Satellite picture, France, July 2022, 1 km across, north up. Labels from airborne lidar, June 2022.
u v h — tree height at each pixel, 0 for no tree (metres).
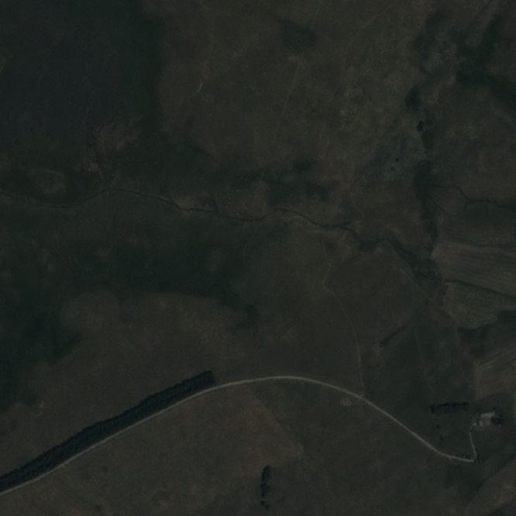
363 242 0
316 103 0
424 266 0
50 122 0
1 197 0
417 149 0
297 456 0
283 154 0
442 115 0
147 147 0
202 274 0
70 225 0
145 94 0
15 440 0
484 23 0
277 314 0
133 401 0
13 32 0
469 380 0
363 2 0
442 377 0
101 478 0
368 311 0
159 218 0
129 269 0
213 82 0
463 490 0
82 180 0
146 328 0
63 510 0
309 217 0
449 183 0
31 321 0
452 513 0
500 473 0
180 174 0
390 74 0
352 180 0
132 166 0
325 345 0
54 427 0
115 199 0
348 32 0
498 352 0
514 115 0
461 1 0
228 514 0
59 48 0
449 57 0
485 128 0
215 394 0
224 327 0
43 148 0
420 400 0
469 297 0
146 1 0
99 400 0
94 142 0
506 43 0
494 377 0
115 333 0
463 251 0
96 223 0
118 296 0
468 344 0
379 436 0
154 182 0
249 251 0
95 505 0
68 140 0
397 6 0
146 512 0
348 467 0
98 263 0
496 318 0
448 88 0
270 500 0
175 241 0
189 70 0
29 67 0
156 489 0
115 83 0
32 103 0
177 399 18
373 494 0
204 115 0
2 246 0
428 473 0
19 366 0
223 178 0
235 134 0
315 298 0
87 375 0
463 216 0
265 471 12
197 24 0
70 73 0
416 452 0
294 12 0
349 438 0
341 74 0
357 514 0
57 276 0
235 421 0
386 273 0
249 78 0
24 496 0
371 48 0
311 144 0
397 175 0
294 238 0
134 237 0
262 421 0
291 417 0
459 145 0
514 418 0
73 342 0
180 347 0
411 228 0
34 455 0
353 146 0
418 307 0
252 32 0
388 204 0
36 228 0
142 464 0
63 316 0
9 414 0
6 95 0
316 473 0
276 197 0
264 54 0
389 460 0
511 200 0
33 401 0
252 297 0
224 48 0
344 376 0
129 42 0
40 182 0
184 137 0
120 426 18
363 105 0
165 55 0
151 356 0
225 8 0
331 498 0
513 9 0
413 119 0
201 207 0
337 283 0
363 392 0
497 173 0
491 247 0
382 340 0
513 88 0
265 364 0
